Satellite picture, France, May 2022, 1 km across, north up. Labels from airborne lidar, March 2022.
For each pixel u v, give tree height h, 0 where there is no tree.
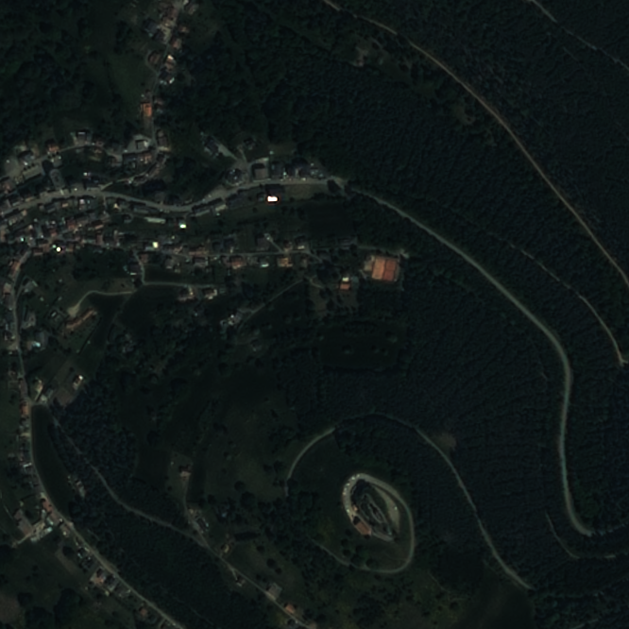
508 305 16
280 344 12
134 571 11
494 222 20
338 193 7
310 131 18
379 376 19
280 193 0
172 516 11
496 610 0
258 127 21
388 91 17
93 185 0
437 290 18
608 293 24
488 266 12
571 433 23
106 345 0
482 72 26
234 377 0
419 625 0
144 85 0
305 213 14
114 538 7
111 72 0
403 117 16
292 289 0
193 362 0
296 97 20
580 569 18
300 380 12
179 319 0
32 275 0
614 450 19
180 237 0
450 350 18
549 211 18
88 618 0
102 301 0
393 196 15
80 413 21
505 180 17
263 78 18
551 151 22
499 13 15
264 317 0
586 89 13
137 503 11
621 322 26
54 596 0
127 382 16
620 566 14
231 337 16
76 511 12
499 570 6
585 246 15
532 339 19
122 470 12
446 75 16
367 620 8
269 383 0
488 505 24
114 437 31
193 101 9
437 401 18
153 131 0
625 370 11
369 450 22
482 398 19
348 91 15
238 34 26
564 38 15
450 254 19
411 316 17
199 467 0
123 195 0
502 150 16
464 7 16
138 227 0
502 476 21
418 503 17
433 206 17
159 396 0
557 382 15
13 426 0
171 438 0
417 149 17
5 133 13
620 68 17
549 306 16
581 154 17
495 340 17
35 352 10
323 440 0
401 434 20
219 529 0
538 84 12
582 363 20
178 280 0
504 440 18
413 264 12
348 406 18
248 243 0
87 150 7
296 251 0
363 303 12
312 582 12
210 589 10
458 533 21
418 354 16
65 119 0
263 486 0
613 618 10
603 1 12
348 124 16
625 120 11
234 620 13
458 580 13
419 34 25
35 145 0
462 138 19
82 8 17
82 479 23
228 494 0
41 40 0
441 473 20
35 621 21
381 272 0
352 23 26
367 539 12
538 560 21
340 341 0
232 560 0
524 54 11
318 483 0
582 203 28
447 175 15
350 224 0
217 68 11
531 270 15
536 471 17
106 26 0
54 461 0
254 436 0
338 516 0
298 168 0
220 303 0
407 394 17
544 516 19
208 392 0
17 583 0
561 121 15
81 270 7
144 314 0
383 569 0
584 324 17
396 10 12
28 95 9
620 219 14
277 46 17
